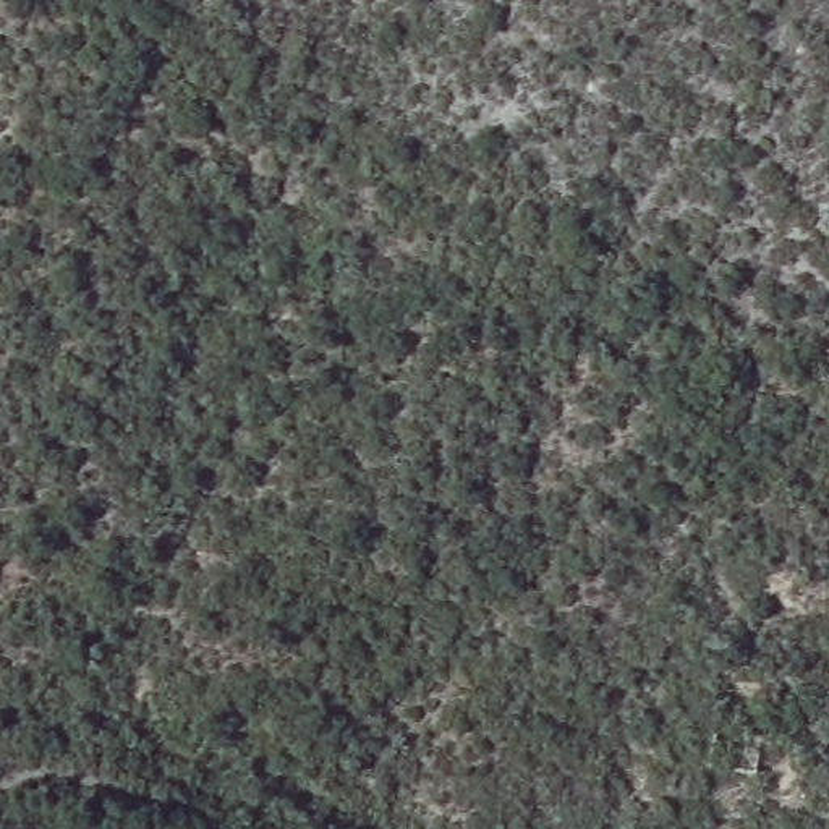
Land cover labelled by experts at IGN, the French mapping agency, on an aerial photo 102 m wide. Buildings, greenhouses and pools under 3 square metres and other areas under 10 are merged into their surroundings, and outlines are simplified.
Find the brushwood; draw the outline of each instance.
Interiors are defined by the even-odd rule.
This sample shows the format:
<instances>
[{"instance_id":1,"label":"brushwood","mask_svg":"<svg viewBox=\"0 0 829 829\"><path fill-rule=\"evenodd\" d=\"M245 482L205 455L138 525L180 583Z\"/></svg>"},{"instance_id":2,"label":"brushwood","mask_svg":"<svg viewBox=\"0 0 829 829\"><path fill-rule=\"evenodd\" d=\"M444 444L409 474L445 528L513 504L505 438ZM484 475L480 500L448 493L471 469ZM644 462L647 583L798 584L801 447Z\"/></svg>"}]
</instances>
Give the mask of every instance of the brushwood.
<instances>
[{"instance_id":1,"label":"brushwood","mask_svg":"<svg viewBox=\"0 0 829 829\"><path fill-rule=\"evenodd\" d=\"M0 0L0 829L829 829L829 0Z\"/></svg>"}]
</instances>

